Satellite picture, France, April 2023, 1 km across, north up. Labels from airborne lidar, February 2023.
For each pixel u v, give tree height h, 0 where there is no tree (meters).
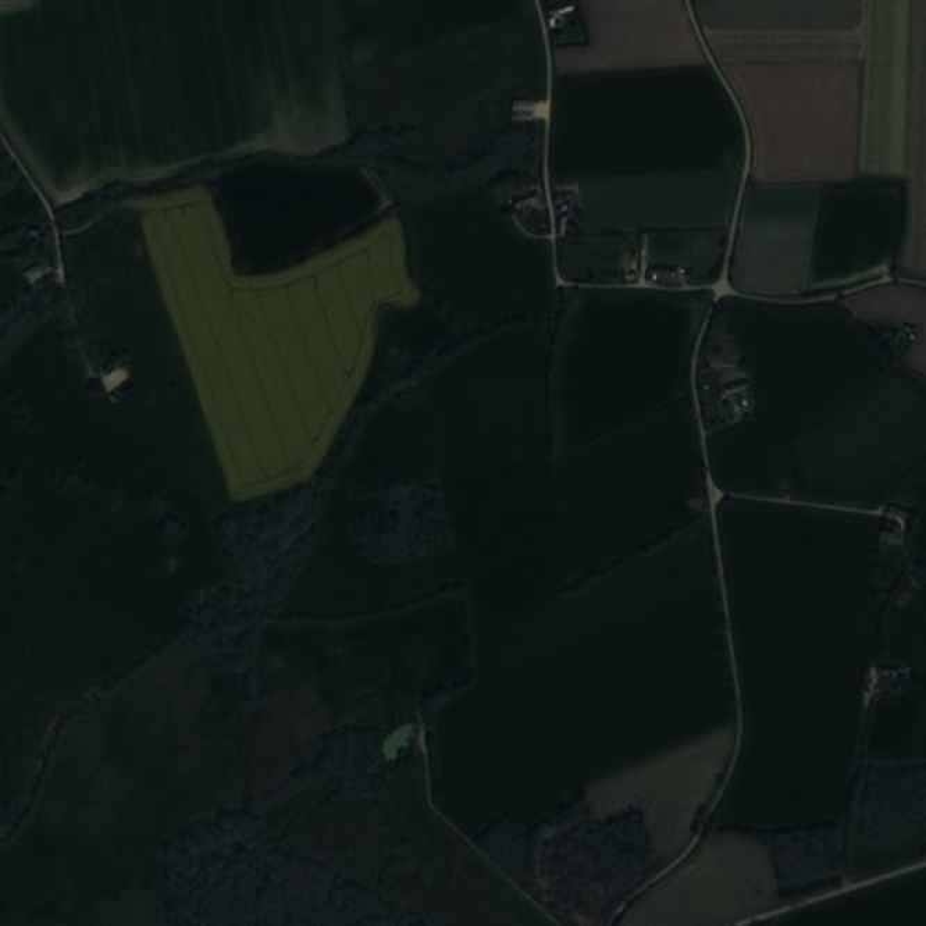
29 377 0
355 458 0
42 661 0
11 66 0
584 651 0
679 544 0
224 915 13
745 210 0
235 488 0
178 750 0
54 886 0
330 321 0
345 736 10
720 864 0
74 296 9
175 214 0
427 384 0
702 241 0
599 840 9
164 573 0
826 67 0
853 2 0
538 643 0
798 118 0
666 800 0
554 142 0
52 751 13
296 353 0
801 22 0
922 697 0
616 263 0
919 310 0
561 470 0
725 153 0
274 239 0
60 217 8
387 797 0
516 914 0
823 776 0
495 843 9
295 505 16
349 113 6
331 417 0
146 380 0
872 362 0
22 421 8
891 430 0
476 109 0
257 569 18
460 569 0
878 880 0
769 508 0
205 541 0
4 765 0
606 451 0
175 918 14
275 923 9
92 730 0
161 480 0
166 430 0
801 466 0
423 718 9
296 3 0
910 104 0
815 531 0
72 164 0
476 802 0
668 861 0
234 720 0
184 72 0
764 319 0
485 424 0
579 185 0
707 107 0
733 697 12
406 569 0
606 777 0
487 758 0
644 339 0
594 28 0
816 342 0
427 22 0
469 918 0
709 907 0
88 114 0
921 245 0
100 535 0
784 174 0
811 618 0
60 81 0
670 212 0
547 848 10
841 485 0
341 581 0
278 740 0
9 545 0
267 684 0
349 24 0
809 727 0
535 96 0
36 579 0
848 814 12
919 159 0
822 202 0
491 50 0
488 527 0
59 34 0
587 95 0
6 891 0
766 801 0
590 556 0
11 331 11
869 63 0
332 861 0
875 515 0
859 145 0
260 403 0
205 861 17
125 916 0
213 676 0
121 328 0
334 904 18
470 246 0
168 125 0
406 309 0
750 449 0
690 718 0
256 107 0
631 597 0
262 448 0
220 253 0
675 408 0
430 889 0
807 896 8
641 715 0
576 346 0
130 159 0
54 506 0
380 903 13
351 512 0
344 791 8
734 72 0
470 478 0
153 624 0
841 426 0
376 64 0
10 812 0
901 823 17
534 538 0
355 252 0
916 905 0
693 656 0
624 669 0
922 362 0
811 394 0
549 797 0
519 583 0
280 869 13
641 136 0
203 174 11
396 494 14
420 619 0
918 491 0
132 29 0
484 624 0
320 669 0
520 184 13
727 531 0
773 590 0
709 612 0
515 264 0
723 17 0
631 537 0
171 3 0
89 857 0
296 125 0
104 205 7
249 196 0
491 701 0
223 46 0
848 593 0
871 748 0
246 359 0
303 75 0
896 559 0
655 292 0
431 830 0
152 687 0
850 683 0
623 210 0
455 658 0
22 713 0
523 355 0
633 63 0
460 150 0
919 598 0
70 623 0
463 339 10
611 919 8
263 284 0
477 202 0
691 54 0
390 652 0
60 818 0
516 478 0
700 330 0
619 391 0
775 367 0
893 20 0
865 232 0
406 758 11
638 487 0
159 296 0
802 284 0
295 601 0
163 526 7
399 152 0
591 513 0
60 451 0
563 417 0
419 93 0
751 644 0
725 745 0
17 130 0
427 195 0
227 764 0
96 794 0
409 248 9
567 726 0
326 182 0
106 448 0
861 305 0
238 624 11
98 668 0
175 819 0
